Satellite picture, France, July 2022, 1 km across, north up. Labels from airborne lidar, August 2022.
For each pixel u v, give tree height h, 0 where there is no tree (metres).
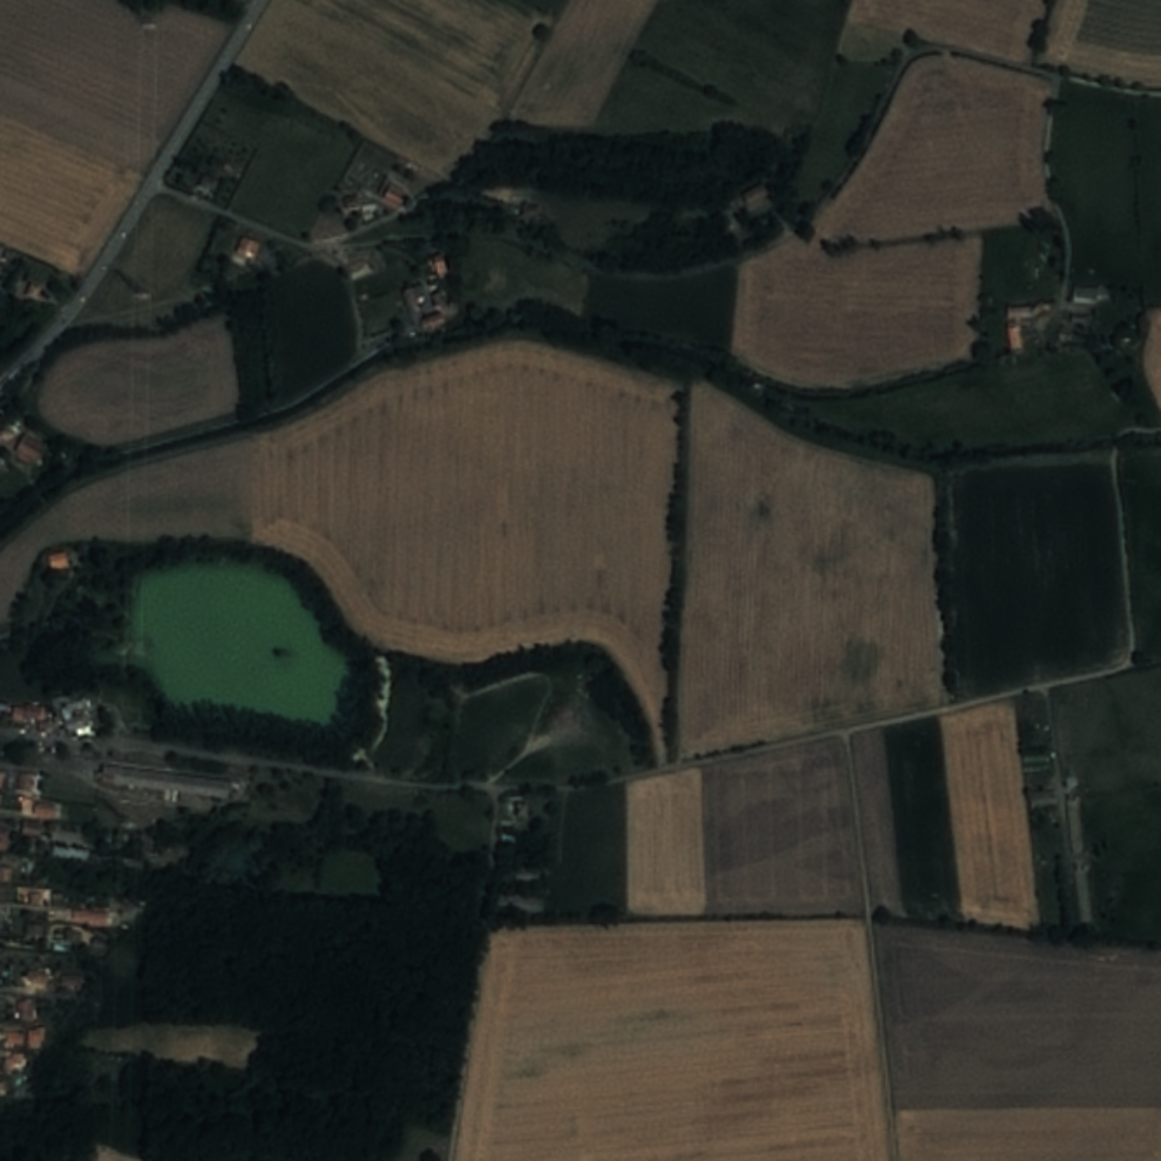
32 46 0
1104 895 0
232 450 0
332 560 0
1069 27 0
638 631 0
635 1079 0
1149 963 0
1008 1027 0
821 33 0
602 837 0
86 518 0
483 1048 0
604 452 0
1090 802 0
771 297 0
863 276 0
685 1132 0
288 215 0
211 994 20
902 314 0
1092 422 0
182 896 17
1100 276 0
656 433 0
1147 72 0
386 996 27
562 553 0
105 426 0
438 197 16
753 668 0
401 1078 21
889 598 0
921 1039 0
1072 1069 0
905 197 0
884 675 0
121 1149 0
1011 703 0
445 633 0
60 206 0
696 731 0
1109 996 0
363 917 27
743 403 0
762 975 0
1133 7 0
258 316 8
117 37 0
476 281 0
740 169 10
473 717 0
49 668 29
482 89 0
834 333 0
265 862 18
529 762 0
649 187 15
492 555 0
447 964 33
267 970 20
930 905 0
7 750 9
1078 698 0
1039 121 0
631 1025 0
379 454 0
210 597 0
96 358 0
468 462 0
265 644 0
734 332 0
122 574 10
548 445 0
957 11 0
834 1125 0
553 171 18
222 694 0
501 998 0
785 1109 0
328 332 0
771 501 0
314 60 0
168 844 14
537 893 12
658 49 0
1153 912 0
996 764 0
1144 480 0
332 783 10
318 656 0
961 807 0
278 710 0
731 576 0
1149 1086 0
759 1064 0
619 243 7
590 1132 0
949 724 0
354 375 8
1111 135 0
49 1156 26
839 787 0
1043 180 0
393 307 0
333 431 0
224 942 24
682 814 0
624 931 0
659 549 0
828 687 0
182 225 0
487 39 0
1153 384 0
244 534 0
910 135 0
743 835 0
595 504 0
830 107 0
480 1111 0
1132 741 0
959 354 0
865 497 0
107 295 0
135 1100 9
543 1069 0
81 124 0
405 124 0
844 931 0
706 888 0
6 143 0
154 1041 0
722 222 13
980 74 0
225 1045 0
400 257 0
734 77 0
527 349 0
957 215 0
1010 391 0
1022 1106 0
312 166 0
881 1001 0
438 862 26
